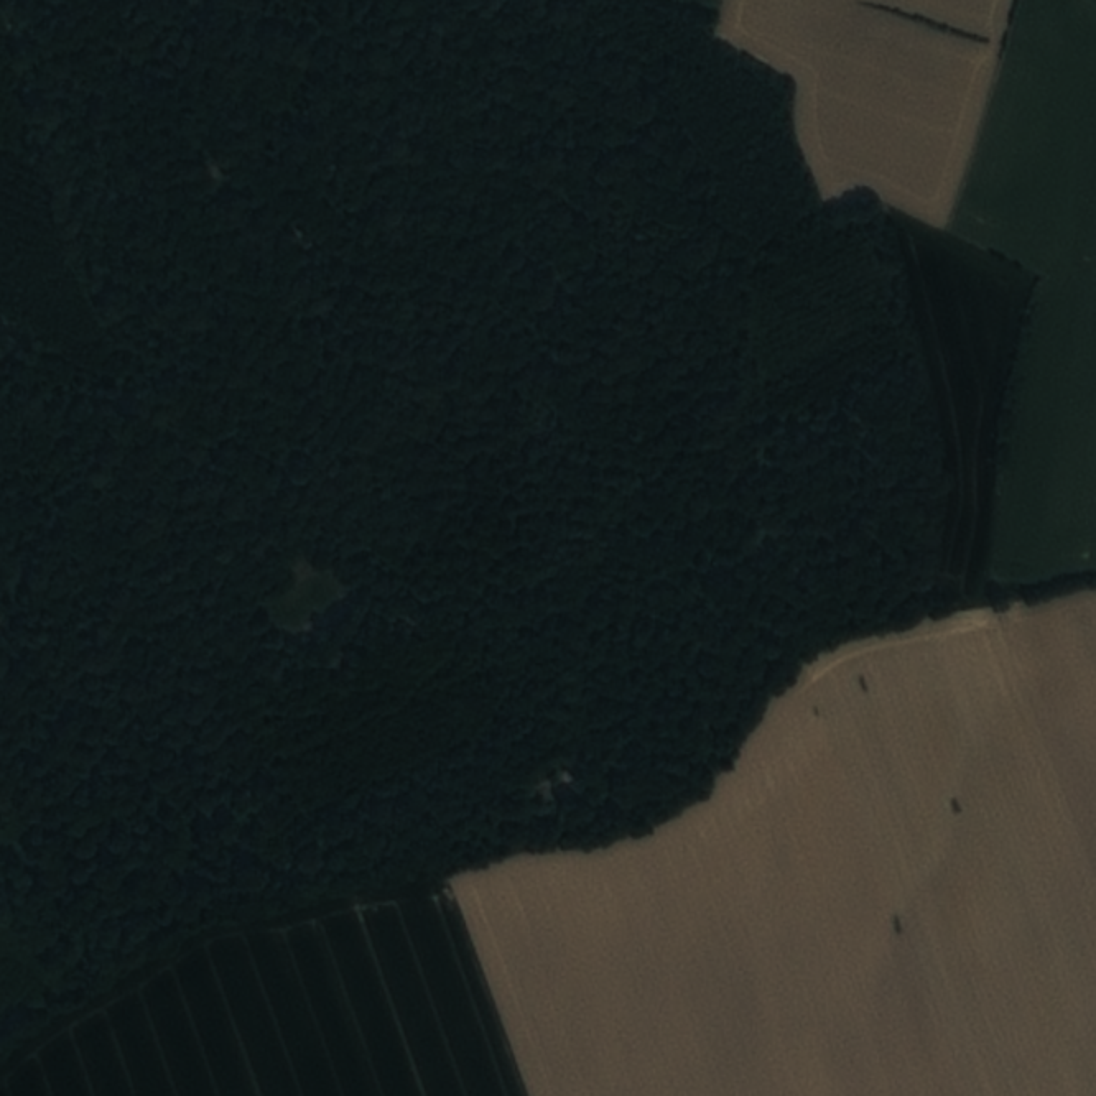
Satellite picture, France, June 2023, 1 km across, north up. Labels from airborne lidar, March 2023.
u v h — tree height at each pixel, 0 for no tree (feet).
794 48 0
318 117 87
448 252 45
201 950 0
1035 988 0
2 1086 0
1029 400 0
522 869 0
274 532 78
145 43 71
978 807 0
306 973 0
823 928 0
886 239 55
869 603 69
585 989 0
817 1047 0
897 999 0
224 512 73
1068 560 0
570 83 94
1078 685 0
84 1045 0
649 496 73
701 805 0
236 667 74
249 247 79
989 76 0
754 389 59
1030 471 0
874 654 0
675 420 57
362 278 83
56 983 0
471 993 0
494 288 70
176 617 81
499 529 45
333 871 74
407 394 72
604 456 73
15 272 20
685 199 68
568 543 56
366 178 47
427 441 81
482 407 84
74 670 62
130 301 66
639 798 76
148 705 69
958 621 0
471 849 53
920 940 0
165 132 75
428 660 46
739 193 52
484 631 54
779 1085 0
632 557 77
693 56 54
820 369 20
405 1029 0
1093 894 0
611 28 33
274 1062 0
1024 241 0
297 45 89
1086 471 0
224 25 77
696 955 0
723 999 0
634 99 91
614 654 63
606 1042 0
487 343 82
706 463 73
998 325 0
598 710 64
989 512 0
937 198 0
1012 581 0
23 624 73
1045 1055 0
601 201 82
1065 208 0
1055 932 0
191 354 82
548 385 78
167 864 83
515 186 60
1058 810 0
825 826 0
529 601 75
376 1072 0
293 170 85
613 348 81
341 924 0
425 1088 0
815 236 28
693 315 65
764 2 0
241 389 72
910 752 0
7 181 27
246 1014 0
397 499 70
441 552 52
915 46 0
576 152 96
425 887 0
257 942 0
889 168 0
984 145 0
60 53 83
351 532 64
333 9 80
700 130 64
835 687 0
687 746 56
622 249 54
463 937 0
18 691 97
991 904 0
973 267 0
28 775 99
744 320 60
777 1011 0
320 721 55
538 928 0
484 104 39
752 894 0
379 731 30
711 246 82
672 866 0
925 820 0
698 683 76
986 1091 0
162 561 83
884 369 53
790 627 70
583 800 88
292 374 70
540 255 63
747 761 0
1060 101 0
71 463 59
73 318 22
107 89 76
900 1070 0
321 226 65
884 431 62
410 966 0
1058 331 0
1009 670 0
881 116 0
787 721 0
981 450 0
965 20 0
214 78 81
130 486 83
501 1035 0
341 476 85
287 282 84
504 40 79
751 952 0
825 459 87
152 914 80
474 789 78
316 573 0
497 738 64
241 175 83
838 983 0
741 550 73
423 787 67
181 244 70
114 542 80
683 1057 0
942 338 0
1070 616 0
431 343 70
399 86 79
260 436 69
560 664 66
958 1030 0
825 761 0
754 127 61
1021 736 0
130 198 56
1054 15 0
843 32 0
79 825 92
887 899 0
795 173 55
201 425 60
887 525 86
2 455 74
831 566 72
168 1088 0
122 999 0
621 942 0
